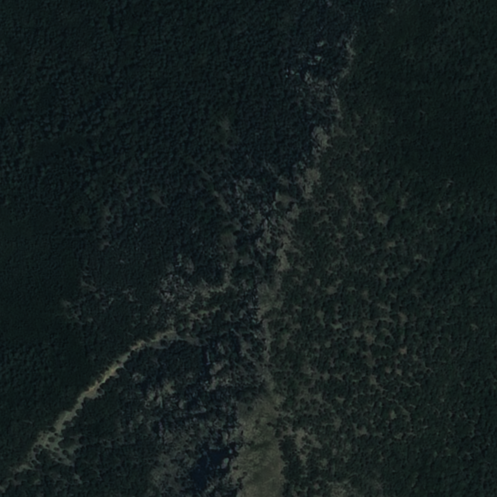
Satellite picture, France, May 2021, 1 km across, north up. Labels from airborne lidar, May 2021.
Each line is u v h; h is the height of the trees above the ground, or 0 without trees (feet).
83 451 43
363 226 39
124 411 29
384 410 51
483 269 48
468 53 73
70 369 26
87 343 37
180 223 42
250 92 49
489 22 60
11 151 47
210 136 77
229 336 30
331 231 38
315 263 41
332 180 39
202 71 22
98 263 49
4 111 20
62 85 61
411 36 35
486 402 59
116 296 39
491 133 62
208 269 27
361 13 35
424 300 69
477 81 65
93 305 37
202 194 52
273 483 0
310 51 26
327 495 43
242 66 68
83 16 49
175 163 64
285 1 20
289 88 26
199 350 40
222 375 26
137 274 36
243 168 41
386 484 44
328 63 26
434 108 53
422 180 24
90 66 59
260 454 0
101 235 27
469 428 71
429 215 50
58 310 25
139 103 56
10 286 36
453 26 73
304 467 28
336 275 40
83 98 49
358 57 38
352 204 40
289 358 43
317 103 38
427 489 23
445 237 53
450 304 42
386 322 54
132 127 85
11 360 50
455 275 40
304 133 36
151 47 35
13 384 41
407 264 41
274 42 51
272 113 47
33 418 36
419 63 51
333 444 30
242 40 70
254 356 29
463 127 52
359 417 57
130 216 35
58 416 25
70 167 47
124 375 46
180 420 23
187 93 50
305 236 47
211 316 35
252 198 37
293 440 23
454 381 45
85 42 52
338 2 38
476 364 60
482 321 48
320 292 40
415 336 36
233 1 39
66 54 54
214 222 36
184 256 30
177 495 25
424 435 47
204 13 60
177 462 32
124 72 60
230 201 31
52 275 38
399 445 54
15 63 52
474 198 42
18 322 20
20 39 48
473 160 45
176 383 30
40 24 60
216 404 46
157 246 37
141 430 29
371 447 49
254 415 0
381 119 28
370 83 62
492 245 62
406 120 61
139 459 17
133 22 54
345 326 56
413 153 72
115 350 30
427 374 36
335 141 30
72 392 27
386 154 53
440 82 51
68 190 28
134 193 26
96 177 75
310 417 36
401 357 49
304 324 38
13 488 38
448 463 51
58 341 31
